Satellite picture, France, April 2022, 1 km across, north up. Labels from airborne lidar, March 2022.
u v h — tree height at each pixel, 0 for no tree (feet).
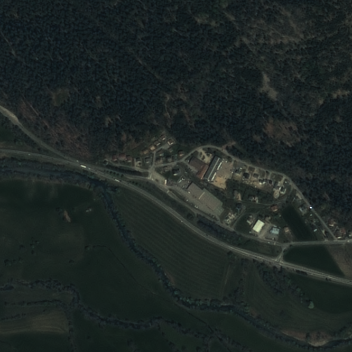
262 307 0
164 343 0
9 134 0
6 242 0
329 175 80
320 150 84
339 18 36
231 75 51
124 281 0
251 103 57
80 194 0
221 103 95
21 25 73
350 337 0
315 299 0
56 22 106
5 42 100
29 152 0
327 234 46
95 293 0
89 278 0
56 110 54
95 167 0
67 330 0
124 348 0
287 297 0
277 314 0
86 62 39
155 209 0
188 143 39
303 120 64
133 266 0
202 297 0
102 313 0
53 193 0
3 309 0
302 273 32
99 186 43
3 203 0
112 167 34
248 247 0
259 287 0
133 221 0
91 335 0
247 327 0
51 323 0
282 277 60
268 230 0
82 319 0
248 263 53
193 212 0
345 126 78
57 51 33
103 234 0
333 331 0
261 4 72
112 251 0
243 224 0
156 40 111
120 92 81
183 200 0
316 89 47
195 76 92
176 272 0
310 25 35
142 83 115
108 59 64
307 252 0
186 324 0
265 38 33
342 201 33
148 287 0
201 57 71
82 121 49
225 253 0
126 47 37
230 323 0
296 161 48
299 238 0
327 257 0
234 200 0
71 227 0
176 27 36
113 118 103
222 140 81
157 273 38
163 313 0
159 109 31
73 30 123
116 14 51
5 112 0
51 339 0
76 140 83
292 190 0
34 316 0
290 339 0
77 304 67
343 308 0
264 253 0
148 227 0
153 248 0
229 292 0
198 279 0
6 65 105
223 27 73
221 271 0
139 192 0
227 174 0
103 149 63
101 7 102
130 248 36
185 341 0
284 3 40
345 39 48
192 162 0
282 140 0
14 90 48
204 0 57
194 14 47
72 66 107
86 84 58
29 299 0
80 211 0
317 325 0
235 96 88
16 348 0
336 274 0
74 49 112
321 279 0
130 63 43
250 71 44
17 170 0
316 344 0
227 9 34
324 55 39
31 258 0
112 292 0
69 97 0
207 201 0
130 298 0
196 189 0
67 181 73
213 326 0
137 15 23
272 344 0
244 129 70
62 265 0
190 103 37
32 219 0
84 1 113
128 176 0
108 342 0
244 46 36
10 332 0
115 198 0
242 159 64
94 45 83
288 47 56
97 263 0
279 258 0
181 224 0
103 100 34
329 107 65
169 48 83
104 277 0
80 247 0
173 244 0
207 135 89
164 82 27
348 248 0
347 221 37
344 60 66
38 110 82
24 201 0
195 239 0
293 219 0
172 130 31
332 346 0
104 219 0
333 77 44
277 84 59
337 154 94
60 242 0
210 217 0
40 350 0
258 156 64
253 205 0
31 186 0
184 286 0
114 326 49
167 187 0
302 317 0
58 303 52
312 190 72
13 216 0
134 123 76
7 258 0
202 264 0
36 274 0
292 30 57
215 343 0
